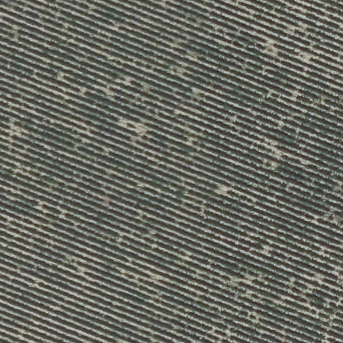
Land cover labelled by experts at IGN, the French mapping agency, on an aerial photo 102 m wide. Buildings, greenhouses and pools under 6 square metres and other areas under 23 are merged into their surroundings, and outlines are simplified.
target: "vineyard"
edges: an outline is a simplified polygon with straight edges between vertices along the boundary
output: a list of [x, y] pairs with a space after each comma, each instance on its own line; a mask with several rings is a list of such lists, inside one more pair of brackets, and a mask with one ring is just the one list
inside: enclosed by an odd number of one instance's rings
[[343, 343], [343, 0], [0, 0], [0, 343]]

